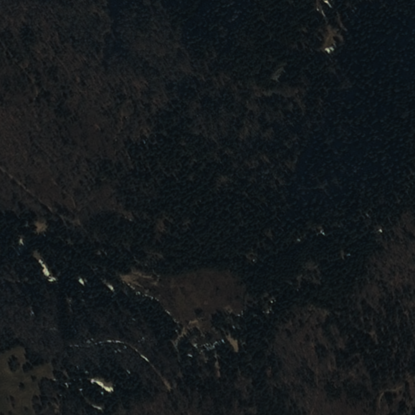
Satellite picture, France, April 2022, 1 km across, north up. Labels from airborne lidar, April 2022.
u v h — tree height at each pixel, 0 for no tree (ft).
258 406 58
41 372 0
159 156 89
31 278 111
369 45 104
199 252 56
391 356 32
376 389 26
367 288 65
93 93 70
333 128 86
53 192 42
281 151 87
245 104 53
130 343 55
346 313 90
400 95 87
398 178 78
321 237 38
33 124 60
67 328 50
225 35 72
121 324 40
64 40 48
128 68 64
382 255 22
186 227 84
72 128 41
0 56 29
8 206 45
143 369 25
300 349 49
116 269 60
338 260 34
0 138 70
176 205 111
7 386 0
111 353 48
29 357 53
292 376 49
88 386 49
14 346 49
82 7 96
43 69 41
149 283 0
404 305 67
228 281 0
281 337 65
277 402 49
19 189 87
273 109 62
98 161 70
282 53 90
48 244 86
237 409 63
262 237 102
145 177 97
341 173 76
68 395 34
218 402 89
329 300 39
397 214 64
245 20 77
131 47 50
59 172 72
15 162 70
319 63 109
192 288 0
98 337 55
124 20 77
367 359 97
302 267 76
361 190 36
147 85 44
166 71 72
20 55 46
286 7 123
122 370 75
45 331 38
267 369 44
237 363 99
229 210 32
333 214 37
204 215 77
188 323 0
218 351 74
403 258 65
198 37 73
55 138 72
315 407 33
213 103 45
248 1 72
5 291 62
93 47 59
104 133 40
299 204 61
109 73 76
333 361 58
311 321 33
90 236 51
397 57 119
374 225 33
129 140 21
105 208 54
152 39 80
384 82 85
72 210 30
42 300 47
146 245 64
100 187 39
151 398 49
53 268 41
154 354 40
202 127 80
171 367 50
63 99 51
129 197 27
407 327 84
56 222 28
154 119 53
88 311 63
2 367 0
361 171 103
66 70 62
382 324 69
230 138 64
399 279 34
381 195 37
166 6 84
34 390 0
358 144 114
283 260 70
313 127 46
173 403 48
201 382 56
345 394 38
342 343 38
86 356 51
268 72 74
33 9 76
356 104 72
